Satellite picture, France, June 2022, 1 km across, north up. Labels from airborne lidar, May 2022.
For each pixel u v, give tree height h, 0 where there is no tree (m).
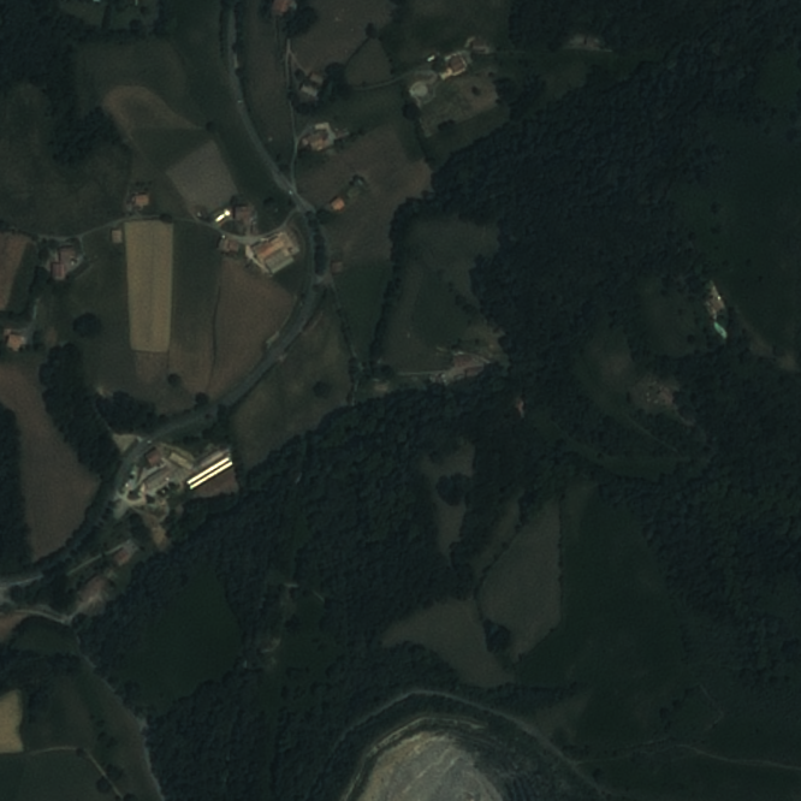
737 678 7
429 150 9
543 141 21
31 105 0
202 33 0
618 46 21
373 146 0
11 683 17
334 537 23
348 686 8
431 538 15
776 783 0
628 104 18
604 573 0
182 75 0
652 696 0
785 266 0
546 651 0
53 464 0
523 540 0
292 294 0
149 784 0
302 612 0
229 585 15
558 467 34
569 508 0
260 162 0
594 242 23
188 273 0
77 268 0
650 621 0
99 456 23
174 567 25
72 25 19
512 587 0
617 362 0
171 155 0
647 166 21
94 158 0
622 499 12
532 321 21
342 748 11
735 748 0
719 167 14
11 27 26
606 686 0
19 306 0
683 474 11
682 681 0
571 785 6
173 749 10
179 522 22
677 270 15
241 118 0
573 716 0
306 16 18
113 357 0
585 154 26
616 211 19
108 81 0
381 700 12
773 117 9
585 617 0
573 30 17
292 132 0
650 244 25
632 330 11
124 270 0
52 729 0
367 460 27
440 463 12
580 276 24
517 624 0
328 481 22
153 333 0
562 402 8
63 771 0
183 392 0
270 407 0
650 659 0
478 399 13
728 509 31
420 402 23
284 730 11
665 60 10
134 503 0
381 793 0
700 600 15
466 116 0
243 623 11
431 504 10
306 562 23
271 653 0
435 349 0
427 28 0
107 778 8
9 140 0
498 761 19
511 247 25
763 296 0
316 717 14
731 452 15
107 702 0
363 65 0
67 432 17
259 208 0
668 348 0
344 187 0
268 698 0
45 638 0
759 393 7
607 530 0
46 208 0
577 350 8
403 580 15
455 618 0
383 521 24
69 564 13
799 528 28
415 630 0
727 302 7
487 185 23
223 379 0
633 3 14
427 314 0
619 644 0
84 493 0
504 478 19
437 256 0
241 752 21
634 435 6
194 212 0
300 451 21
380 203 0
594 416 6
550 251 26
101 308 0
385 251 0
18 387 0
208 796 20
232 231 0
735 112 15
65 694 0
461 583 26
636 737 0
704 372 18
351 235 0
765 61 8
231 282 0
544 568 0
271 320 0
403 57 0
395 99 0
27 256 0
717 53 17
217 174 0
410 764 0
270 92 0
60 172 0
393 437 20
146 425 17
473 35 0
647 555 0
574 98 16
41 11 25
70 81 13
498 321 24
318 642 8
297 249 0
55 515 0
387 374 18
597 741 0
